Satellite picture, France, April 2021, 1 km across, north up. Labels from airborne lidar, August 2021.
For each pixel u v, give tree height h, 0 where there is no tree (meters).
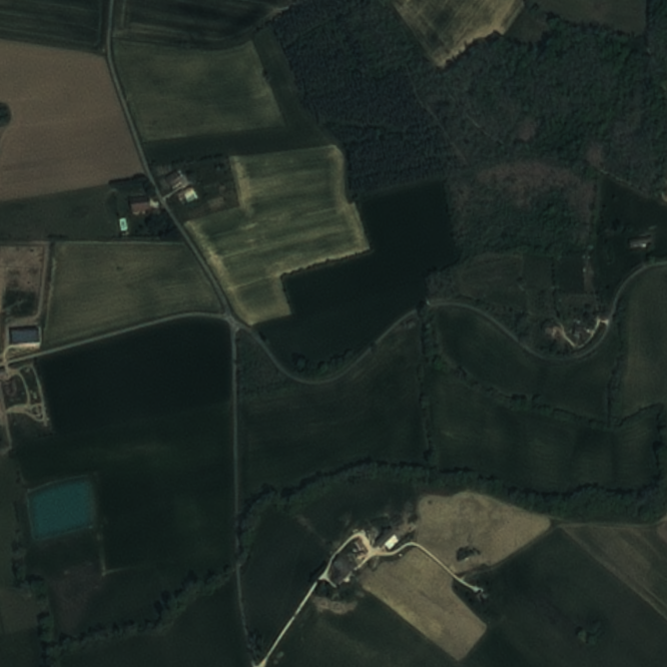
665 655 0
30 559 0
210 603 0
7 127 0
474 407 0
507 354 0
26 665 0
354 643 0
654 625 0
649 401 0
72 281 0
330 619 0
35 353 0
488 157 11
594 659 0
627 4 0
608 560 0
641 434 0
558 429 0
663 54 19
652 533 0
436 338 14
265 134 0
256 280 0
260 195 0
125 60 0
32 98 0
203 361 0
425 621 0
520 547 0
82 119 0
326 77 9
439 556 0
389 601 0
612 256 5
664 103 13
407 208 0
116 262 0
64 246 0
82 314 0
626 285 0
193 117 0
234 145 0
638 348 0
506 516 0
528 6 15
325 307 0
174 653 0
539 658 0
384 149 14
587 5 0
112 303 0
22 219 0
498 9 0
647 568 0
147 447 0
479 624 0
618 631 0
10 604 0
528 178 15
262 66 0
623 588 0
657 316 0
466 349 0
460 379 12
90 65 0
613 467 0
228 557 0
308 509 0
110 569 0
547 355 7
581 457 0
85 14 0
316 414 0
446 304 0
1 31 0
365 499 0
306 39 7
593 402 0
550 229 12
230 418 0
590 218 16
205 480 0
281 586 0
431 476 18
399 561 0
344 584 7
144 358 0
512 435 0
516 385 0
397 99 16
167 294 0
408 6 0
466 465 0
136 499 0
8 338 0
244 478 0
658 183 12
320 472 0
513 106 17
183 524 0
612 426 10
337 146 0
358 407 0
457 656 0
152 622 6
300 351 0
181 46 8
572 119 11
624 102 9
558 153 12
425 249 0
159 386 0
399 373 0
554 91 21
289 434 0
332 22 6
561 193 13
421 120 12
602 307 7
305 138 0
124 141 0
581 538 0
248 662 0
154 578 0
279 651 0
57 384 0
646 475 0
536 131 19
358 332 0
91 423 0
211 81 0
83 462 0
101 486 0
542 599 0
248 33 0
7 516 0
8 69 0
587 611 0
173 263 0
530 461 0
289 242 0
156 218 10
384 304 0
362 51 14
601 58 24
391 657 0
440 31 0
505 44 21
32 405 0
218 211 0
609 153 15
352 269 0
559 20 19
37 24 0
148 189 16
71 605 0
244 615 0
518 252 9
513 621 0
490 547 0
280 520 0
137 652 0
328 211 0
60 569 0
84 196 0
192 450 0
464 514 0
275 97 0
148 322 0
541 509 14
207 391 0
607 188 0
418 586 0
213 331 0
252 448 0
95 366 0
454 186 13
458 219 8
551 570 0
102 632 18
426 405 10
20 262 0
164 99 0
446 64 0
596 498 22
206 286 0
